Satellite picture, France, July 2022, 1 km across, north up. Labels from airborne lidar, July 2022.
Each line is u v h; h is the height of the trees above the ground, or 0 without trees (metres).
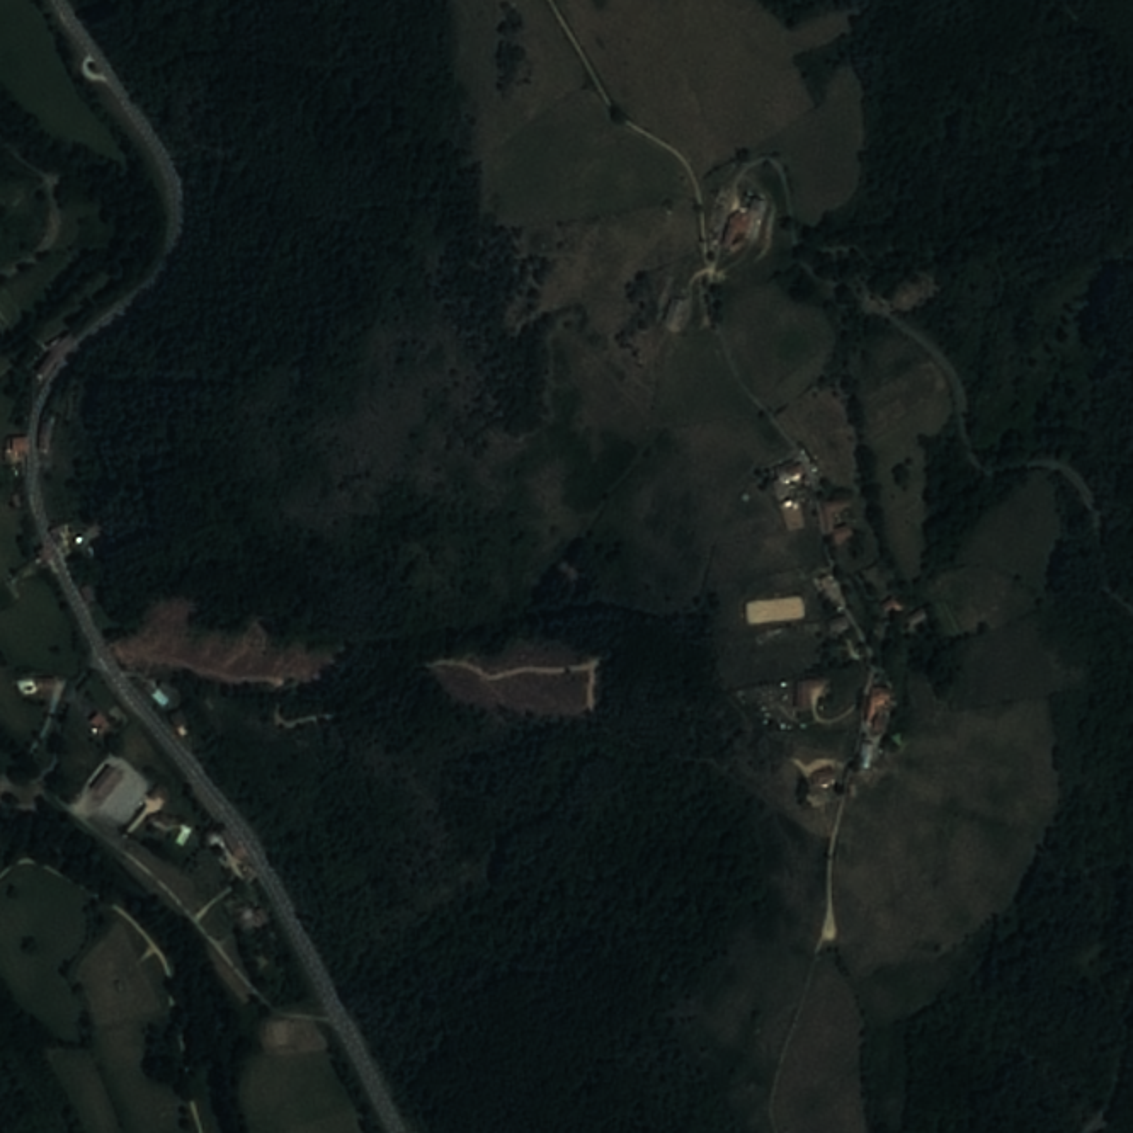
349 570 17
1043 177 12
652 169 0
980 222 16
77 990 10
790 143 0
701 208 7
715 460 0
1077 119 17
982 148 14
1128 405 15
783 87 0
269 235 16
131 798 0
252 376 14
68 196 8
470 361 0
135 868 0
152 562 9
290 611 13
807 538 0
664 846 15
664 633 13
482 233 11
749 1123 0
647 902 16
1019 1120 25
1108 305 32
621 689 12
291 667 0
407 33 9
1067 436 20
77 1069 0
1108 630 17
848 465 0
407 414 0
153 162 0
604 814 9
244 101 15
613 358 0
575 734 9
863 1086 7
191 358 10
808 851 0
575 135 0
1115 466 18
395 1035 21
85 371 12
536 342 9
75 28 0
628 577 0
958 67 17
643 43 0
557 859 29
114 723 6
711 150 0
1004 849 0
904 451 0
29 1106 22
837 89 0
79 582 8
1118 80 7
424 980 17
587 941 15
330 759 8
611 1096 16
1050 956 26
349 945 10
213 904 0
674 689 13
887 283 11
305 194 16
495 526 6
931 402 0
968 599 0
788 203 0
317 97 14
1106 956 13
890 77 15
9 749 17
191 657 0
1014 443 15
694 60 0
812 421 0
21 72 0
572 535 0
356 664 21
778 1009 0
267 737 0
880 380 0
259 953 6
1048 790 0
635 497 0
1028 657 0
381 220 16
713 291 8
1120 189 17
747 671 0
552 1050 17
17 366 18
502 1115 16
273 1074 0
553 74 0
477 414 7
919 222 15
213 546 11
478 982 12
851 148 0
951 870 0
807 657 0
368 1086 0
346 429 0
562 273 0
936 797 0
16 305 0
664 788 10
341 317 12
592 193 0
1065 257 15
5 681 0
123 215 18
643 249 0
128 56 15
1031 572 0
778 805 0
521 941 9
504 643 17
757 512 0
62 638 0
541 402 9
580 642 22
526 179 0
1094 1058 11
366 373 0
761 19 0
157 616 0
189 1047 18
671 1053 9
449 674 0
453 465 0
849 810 0
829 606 10
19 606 0
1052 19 18
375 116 19
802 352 0
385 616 26
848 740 0
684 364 0
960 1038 16
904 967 0
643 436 0
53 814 23
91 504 16
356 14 12
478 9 0
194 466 15
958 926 0
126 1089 0
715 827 16
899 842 0
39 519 0
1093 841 16
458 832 9
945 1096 22
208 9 22
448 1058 22
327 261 13
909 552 0
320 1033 0
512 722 8
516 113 0
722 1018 0
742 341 0
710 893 16
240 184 14
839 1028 0
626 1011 14
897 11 18
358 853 11
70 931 0
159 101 7
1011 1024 14
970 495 21
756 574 0
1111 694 12
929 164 18
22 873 0
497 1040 17
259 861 0
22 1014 18
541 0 0
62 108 0
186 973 19
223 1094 33
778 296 0
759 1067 0
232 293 10
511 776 20
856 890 0
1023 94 9
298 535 6
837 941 0
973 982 9
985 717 0
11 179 10
